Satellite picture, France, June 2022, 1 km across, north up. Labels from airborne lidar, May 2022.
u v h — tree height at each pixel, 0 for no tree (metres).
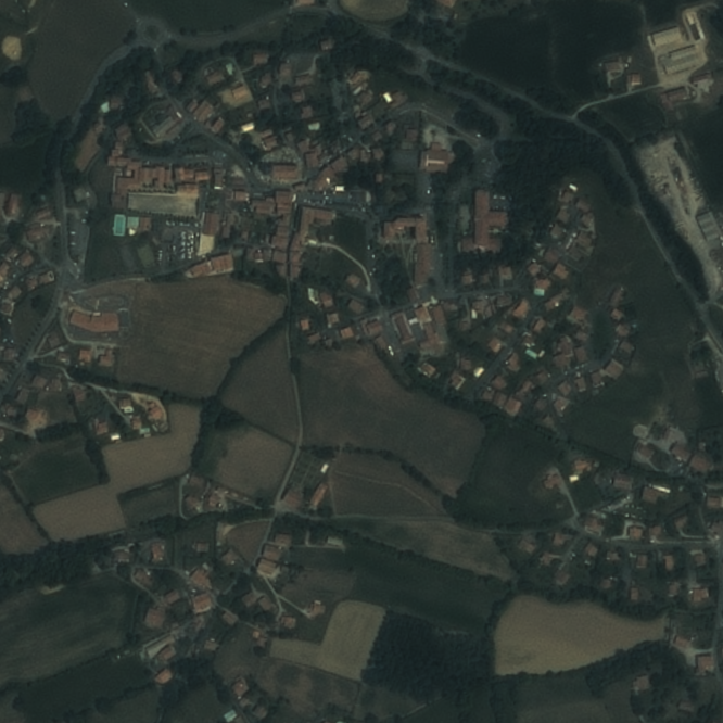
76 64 0
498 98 26
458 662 16
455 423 0
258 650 14
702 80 0
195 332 0
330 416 0
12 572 25
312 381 0
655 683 11
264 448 0
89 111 20
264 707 8
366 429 0
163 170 0
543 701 0
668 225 28
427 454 0
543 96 16
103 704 18
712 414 0
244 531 0
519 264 6
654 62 0
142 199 0
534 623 0
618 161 0
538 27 0
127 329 0
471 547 0
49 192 14
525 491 0
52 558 31
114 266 0
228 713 0
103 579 0
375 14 0
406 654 20
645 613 14
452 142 0
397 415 0
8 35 0
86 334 0
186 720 0
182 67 12
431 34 24
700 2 0
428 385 12
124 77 9
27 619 0
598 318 0
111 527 0
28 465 0
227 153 0
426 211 0
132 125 11
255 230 0
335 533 12
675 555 7
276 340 0
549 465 0
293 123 6
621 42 0
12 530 0
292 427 0
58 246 8
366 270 0
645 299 0
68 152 24
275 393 0
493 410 9
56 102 0
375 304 9
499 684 16
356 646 0
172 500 0
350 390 0
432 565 15
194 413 0
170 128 0
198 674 14
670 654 13
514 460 0
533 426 11
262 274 6
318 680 0
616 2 0
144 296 0
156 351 0
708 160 0
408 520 0
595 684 12
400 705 0
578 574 0
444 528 0
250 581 19
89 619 0
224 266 0
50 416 0
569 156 25
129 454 0
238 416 9
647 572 0
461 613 0
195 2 0
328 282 16
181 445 0
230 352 0
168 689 13
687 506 9
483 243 0
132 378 0
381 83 0
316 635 0
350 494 0
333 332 0
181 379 0
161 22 0
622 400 0
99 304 0
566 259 0
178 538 0
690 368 0
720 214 0
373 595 0
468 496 0
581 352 0
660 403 0
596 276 0
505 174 18
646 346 0
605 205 0
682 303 0
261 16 0
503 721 7
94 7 0
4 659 0
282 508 0
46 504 0
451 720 0
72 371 10
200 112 0
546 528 8
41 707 0
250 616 6
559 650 0
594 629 0
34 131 17
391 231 0
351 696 0
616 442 0
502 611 15
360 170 10
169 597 0
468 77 21
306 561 0
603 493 7
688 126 0
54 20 0
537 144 16
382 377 0
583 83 0
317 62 6
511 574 0
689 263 13
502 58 0
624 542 0
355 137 6
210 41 0
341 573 0
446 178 19
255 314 0
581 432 0
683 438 0
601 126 16
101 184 0
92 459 11
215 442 0
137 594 0
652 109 0
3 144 0
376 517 0
